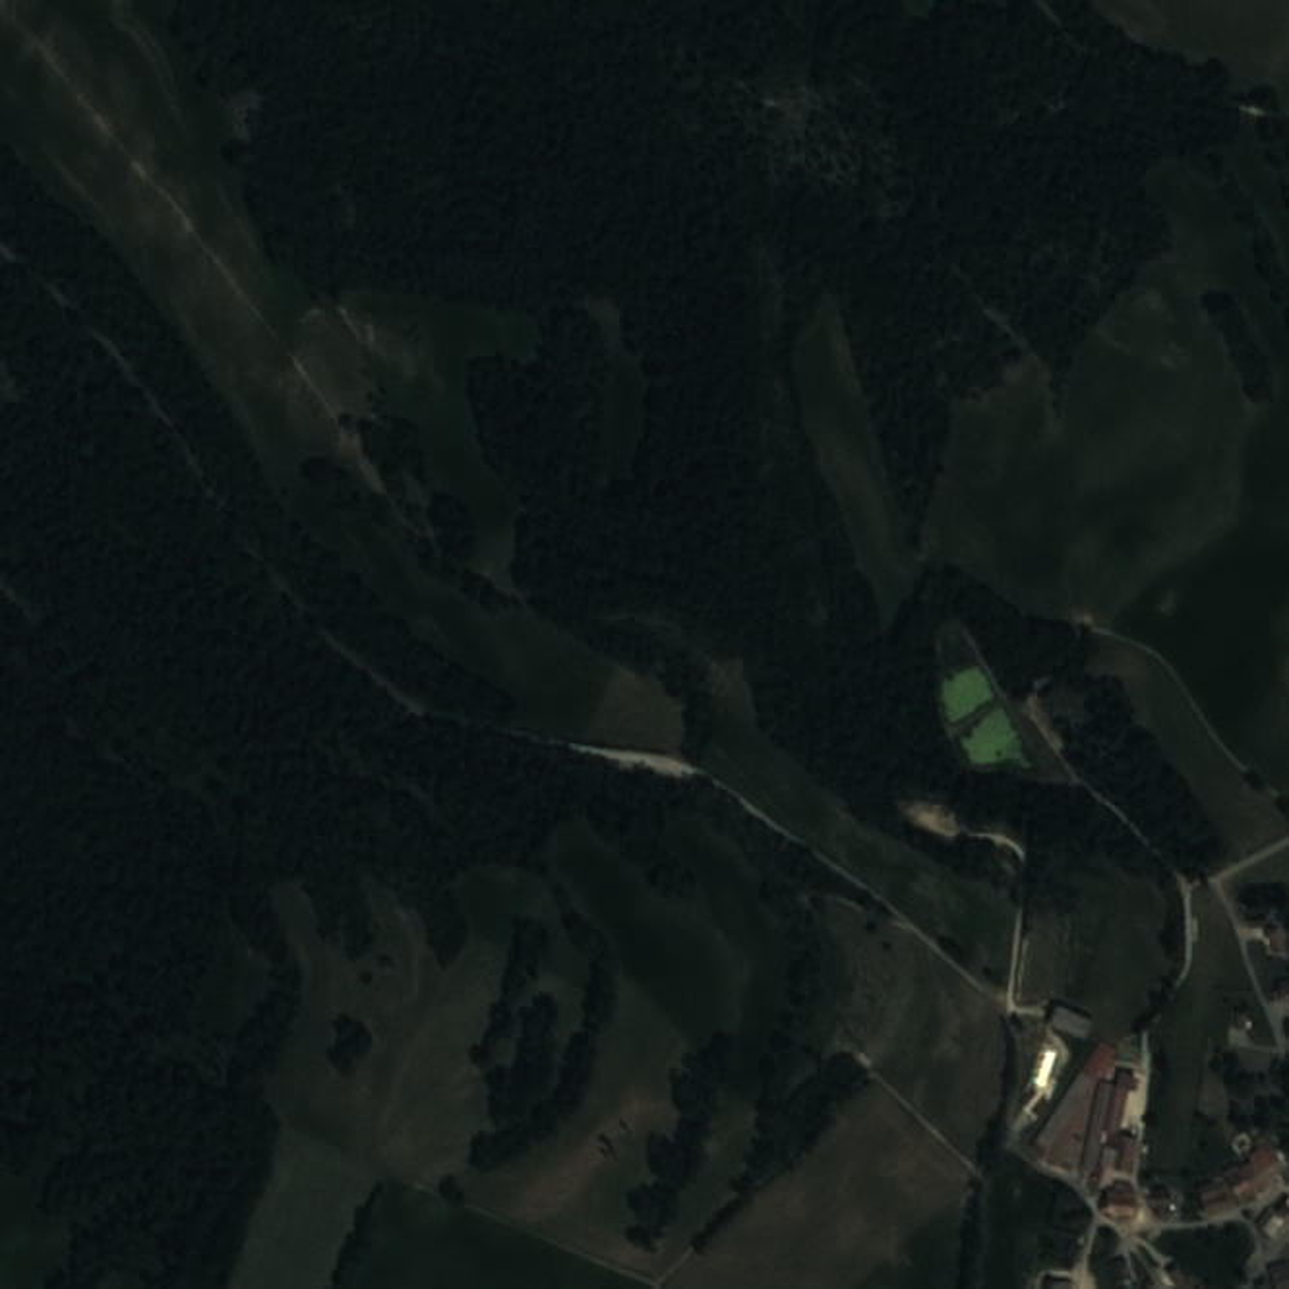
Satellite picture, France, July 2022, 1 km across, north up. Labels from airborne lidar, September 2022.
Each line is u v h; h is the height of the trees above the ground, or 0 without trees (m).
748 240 7
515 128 9
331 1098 0
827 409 0
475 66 13
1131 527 0
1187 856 18
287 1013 11
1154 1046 0
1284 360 0
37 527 16
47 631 15
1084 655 10
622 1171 0
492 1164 16
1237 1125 15
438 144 15
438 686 15
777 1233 0
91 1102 16
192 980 15
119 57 0
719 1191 0
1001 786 13
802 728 15
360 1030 18
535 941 12
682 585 15
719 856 0
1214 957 0
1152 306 0
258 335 0
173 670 18
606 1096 0
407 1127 0
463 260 22
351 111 12
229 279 0
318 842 13
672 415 16
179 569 16
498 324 0
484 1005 0
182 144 0
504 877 0
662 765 0
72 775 16
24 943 19
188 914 24
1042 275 10
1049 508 0
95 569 17
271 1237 0
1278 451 0
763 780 0
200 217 0
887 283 15
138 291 10
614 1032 0
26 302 22
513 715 20
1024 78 9
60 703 18
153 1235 17
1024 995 0
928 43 16
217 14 16
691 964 0
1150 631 0
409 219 10
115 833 18
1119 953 0
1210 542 0
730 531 13
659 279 11
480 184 14
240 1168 18
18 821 17
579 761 18
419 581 0
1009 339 9
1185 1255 0
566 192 15
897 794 17
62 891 13
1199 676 0
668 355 16
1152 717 0
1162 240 19
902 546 0
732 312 14
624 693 0
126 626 20
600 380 21
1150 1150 0
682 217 10
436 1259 0
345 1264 13
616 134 7
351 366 0
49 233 17
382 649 18
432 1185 0
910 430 14
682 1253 0
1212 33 0
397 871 8
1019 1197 0
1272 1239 0
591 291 12
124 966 16
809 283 11
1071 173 14
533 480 16
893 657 12
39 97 0
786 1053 19
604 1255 0
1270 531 0
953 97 15
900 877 0
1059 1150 0
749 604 14
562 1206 0
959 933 0
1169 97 16
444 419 0
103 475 15
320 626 16
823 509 13
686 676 6
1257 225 18
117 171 0
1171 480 0
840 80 14
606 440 14
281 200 19
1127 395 0
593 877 0
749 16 19
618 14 10
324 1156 0
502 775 14
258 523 16
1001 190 15
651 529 22
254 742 15
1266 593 0
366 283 15
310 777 10
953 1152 0
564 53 10
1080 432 0
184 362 17
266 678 20
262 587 26
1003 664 9
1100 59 11
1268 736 0
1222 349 0
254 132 9
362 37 6
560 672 0
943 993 0
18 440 10
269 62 21
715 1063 19
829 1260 0
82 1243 14
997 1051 0
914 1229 0
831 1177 0
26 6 0
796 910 18
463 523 21
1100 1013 0
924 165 18
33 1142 16
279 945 20
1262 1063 0
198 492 22
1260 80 0
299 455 0
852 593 18
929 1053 0
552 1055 18
